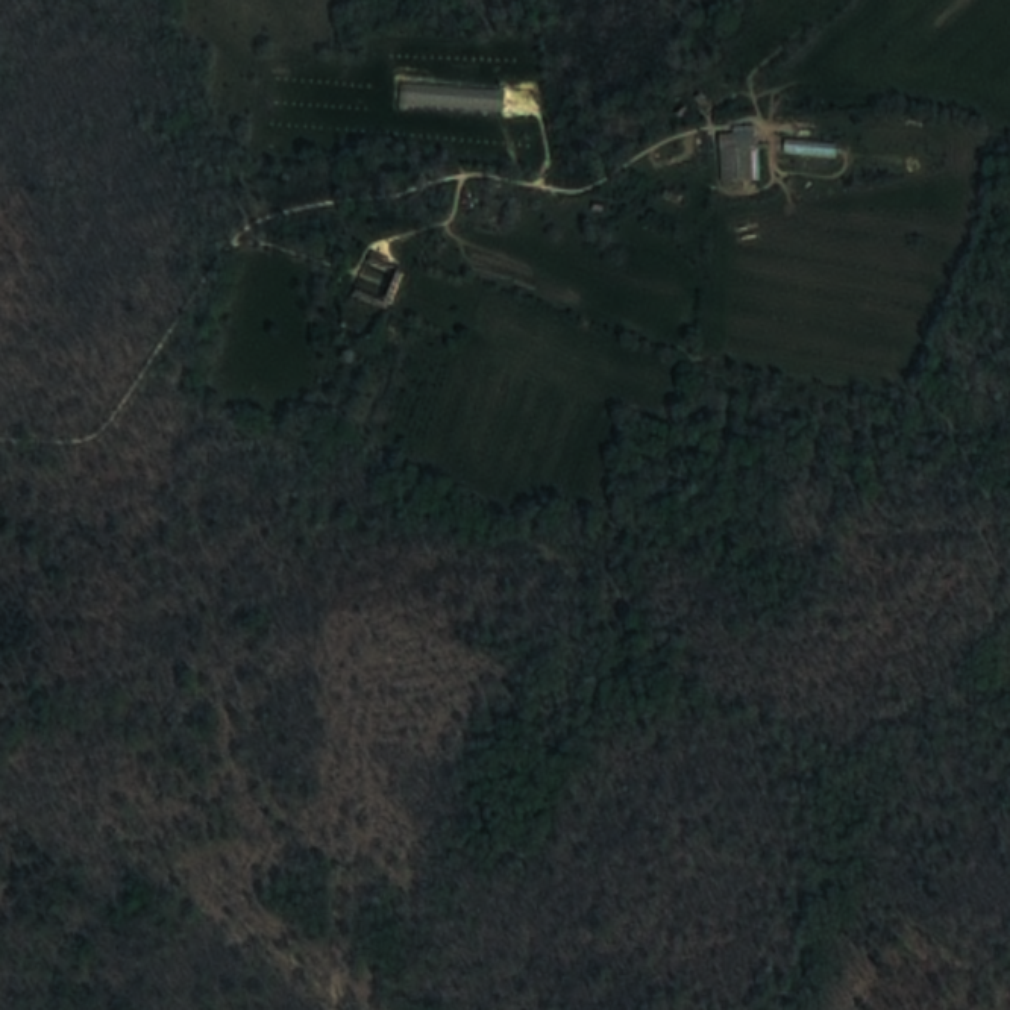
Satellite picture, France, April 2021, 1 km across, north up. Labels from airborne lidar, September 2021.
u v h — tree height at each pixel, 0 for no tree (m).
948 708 28
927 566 21
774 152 0
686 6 25
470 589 20
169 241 20
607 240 15
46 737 21
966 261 20
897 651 17
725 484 26
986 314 17
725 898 16
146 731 23
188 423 15
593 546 20
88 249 22
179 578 15
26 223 22
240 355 0
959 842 25
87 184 20
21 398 17
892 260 0
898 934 26
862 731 17
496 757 26
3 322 19
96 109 21
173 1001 15
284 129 0
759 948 13
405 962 19
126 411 17
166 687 20
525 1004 22
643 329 0
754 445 20
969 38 0
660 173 0
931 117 18
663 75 7
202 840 27
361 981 22
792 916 24
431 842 22
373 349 17
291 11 0
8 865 9
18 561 13
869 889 18
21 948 16
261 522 21
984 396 21
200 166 22
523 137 0
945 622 18
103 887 15
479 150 0
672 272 0
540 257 0
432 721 19
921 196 0
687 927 14
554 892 12
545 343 0
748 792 15
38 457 19
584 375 0
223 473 21
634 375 0
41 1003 20
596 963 10
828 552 14
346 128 0
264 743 15
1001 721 23
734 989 11
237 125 14
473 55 0
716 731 24
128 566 11
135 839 17
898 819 12
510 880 28
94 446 14
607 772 20
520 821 33
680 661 17
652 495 27
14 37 22
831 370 0
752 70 0
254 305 0
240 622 13
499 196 0
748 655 16
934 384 24
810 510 18
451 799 15
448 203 21
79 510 19
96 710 21
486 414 0
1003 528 28
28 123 21
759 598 22
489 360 0
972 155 0
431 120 0
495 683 16
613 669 11
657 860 11
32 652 19
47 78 19
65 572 8
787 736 23
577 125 10
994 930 21
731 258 0
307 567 12
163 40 16
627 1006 11
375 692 14
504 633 17
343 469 16
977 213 16
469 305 0
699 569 25
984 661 23
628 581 19
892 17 0
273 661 15
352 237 15
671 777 16
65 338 20
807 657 15
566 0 7
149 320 24
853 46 0
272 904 10
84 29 18
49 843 15
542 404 7
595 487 0
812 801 28
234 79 0
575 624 20
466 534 23
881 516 20
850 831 22
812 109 14
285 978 17
